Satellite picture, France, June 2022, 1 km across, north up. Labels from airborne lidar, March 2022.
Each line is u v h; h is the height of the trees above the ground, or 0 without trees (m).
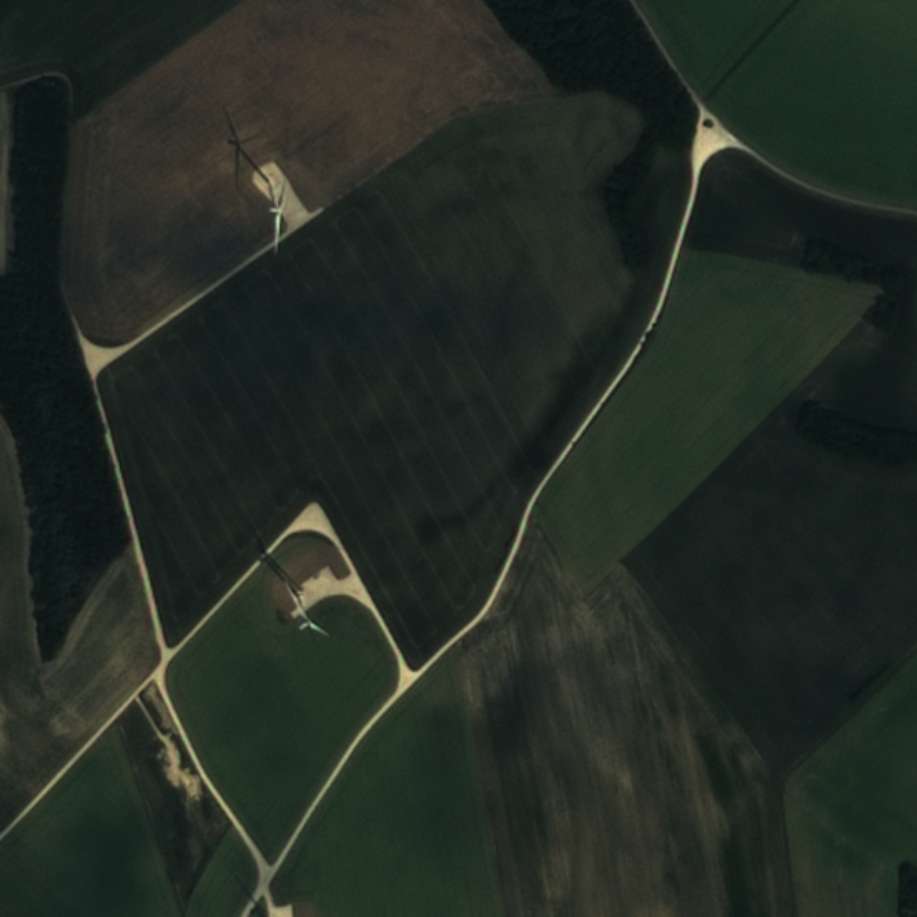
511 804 0
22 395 20
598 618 0
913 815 0
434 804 0
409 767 0
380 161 0
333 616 0
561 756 0
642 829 0
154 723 0
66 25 0
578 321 0
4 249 0
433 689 0
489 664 0
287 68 0
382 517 0
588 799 0
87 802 0
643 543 0
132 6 0
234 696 0
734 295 0
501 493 0
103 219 0
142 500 0
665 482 0
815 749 0
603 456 0
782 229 0
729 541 0
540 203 0
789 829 0
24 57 0
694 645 0
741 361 0
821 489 0
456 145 0
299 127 0
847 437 19
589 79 18
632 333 0
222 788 0
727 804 0
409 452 0
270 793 0
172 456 0
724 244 0
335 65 0
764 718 0
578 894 0
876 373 0
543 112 0
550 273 0
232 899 0
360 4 0
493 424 0
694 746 0
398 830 0
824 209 0
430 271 0
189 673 0
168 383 0
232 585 0
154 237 0
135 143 0
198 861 0
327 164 0
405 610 0
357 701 0
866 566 0
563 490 0
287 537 0
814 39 0
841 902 0
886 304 11
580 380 0
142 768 0
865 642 0
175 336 0
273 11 0
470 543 0
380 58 0
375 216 0
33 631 0
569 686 0
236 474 0
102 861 0
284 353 0
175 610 0
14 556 0
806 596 0
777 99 0
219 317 0
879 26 0
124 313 0
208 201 0
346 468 0
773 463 0
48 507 20
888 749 0
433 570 0
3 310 19
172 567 0
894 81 0
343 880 0
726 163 0
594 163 0
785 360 0
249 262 0
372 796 0
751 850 0
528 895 0
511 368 0
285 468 0
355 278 0
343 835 0
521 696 0
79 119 0
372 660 0
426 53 0
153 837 0
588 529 0
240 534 0
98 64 0
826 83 0
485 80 0
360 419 0
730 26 0
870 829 0
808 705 0
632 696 0
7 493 0
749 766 0
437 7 0
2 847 0
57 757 0
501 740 0
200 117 0
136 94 0
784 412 0
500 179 0
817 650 0
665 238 0
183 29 0
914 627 0
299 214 0
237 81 0
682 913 0
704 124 0
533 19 23
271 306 0
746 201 0
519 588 0
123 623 0
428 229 0
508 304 0
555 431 0
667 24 0
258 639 0
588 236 0
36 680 0
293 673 0
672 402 0
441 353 0
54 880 0
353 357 0
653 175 0
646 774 0
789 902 0
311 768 0
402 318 0
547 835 0
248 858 0
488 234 0
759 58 0
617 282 0
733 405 0
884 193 0
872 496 0
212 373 0
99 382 0
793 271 0
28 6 0
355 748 0
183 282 0
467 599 0
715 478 0
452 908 0
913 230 0
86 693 0
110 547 18
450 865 0
